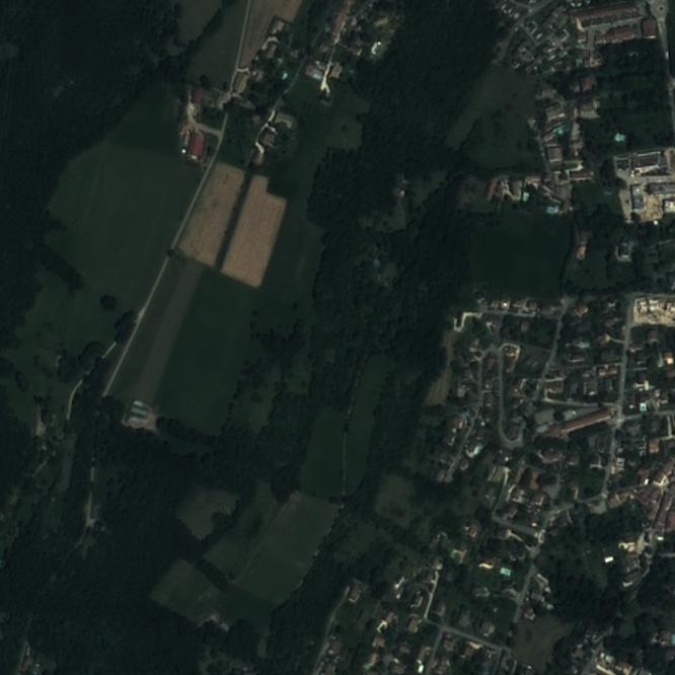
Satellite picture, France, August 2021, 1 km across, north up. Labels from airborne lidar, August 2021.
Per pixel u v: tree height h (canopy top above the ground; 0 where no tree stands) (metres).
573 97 12
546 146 0
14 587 20
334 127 0
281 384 6
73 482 11
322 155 0
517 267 0
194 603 0
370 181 19
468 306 0
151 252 0
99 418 9
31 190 19
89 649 15
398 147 23
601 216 23
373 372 0
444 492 6
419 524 13
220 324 0
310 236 0
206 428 0
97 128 16
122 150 0
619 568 11
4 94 16
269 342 16
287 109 8
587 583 13
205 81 14
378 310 12
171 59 16
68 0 10
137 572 12
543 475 8
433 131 6
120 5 9
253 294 0
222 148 0
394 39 8
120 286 0
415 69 17
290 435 11
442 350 20
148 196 0
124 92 13
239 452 13
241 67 0
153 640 12
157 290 0
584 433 15
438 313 14
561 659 8
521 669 7
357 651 9
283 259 0
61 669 13
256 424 0
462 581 12
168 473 15
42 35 11
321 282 14
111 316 0
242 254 0
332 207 10
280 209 0
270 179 0
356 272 14
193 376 0
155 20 15
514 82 0
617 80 20
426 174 10
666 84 14
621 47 13
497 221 9
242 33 0
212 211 0
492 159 0
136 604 16
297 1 0
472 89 9
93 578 14
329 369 13
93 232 0
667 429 11
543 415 0
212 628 8
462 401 14
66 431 9
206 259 0
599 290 9
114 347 0
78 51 13
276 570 0
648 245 6
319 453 0
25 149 11
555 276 0
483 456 12
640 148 14
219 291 0
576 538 14
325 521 0
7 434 15
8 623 11
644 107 7
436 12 10
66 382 9
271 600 0
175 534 14
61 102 12
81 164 0
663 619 7
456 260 20
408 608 6
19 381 18
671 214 10
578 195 12
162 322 0
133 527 11
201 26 0
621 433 15
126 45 12
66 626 22
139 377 0
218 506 0
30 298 13
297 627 8
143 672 17
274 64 6
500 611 0
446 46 18
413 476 11
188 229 0
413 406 8
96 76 10
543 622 0
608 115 9
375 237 16
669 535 9
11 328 17
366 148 11
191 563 10
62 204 0
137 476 11
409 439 8
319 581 7
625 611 18
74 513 9
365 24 12
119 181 0
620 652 15
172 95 0
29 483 14
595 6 12
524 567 13
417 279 14
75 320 0
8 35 9
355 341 14
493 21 20
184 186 0
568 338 13
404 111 14
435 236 18
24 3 13
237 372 0
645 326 6
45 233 16
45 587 14
